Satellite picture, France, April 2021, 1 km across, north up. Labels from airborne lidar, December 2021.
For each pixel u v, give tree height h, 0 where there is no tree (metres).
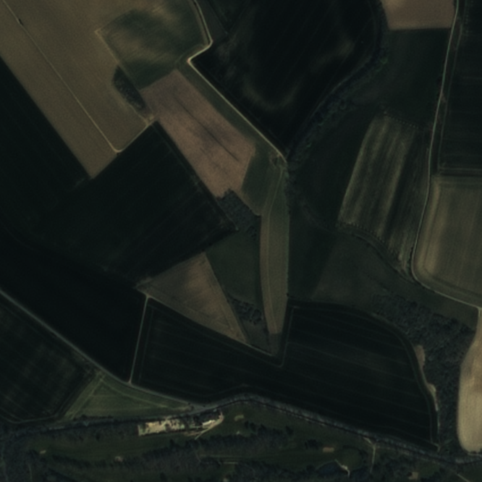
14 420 0
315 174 0
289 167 14
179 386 0
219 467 17
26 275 0
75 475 0
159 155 0
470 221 0
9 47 0
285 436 21
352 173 0
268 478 25
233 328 0
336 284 0
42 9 0
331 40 0
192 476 0
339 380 0
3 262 0
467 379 0
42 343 0
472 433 0
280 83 0
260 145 0
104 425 8
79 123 0
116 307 0
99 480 0
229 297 9
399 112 0
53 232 0
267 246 0
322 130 13
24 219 0
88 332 0
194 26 0
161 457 22
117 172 0
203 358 0
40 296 0
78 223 0
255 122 0
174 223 0
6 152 0
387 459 15
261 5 0
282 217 0
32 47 0
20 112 0
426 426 0
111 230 0
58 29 0
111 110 0
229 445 25
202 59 0
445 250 0
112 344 0
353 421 0
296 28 0
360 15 0
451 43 0
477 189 0
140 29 0
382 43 19
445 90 0
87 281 0
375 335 0
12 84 0
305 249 0
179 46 0
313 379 0
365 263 0
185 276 0
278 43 0
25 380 0
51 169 0
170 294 0
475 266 0
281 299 0
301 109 0
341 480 18
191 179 0
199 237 0
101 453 0
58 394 0
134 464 22
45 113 0
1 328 0
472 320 0
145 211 0
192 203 0
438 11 0
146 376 0
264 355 0
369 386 0
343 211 0
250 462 0
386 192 0
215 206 0
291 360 0
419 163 0
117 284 0
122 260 0
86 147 0
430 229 0
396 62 0
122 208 0
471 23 0
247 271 0
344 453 0
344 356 0
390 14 0
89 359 0
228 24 0
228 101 0
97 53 0
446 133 0
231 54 0
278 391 0
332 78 0
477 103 0
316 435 0
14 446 21
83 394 0
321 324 0
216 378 0
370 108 0
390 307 6
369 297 0
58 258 0
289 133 0
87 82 0
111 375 0
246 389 0
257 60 0
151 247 0
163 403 0
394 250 0
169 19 0
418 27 0
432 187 0
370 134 0
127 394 0
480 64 0
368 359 0
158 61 0
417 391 0
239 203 10
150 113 0
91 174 0
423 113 0
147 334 0
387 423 0
